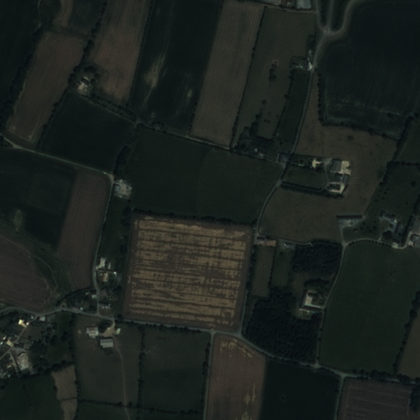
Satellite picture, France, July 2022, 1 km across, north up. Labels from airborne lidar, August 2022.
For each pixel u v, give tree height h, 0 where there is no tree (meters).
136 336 0
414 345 0
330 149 0
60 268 0
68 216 0
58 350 0
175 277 0
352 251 0
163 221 0
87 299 8
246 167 0
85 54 8
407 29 0
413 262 0
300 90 0
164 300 0
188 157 0
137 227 0
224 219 11
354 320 0
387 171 8
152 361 0
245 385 0
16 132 0
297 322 16
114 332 0
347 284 0
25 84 0
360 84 0
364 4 0
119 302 0
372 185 0
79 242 0
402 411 0
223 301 0
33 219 0
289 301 15
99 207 0
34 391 0
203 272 0
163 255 0
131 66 0
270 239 7
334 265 14
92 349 0
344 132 0
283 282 0
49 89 0
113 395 0
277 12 0
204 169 0
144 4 0
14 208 0
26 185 0
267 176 0
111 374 0
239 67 0
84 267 0
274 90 0
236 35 0
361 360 0
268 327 15
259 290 0
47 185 0
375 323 0
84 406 0
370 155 0
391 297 0
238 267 0
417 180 0
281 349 11
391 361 0
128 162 0
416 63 0
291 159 11
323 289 14
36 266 0
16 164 0
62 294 0
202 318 0
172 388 0
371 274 0
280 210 0
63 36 0
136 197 0
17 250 0
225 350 0
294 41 0
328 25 0
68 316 0
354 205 0
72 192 0
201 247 0
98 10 0
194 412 9
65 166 0
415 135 0
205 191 0
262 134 0
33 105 0
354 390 0
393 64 0
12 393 0
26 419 0
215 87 0
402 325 0
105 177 0
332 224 0
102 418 0
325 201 0
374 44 0
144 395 0
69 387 0
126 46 0
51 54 0
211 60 0
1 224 0
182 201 0
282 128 0
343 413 0
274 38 0
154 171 0
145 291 0
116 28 0
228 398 0
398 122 0
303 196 0
